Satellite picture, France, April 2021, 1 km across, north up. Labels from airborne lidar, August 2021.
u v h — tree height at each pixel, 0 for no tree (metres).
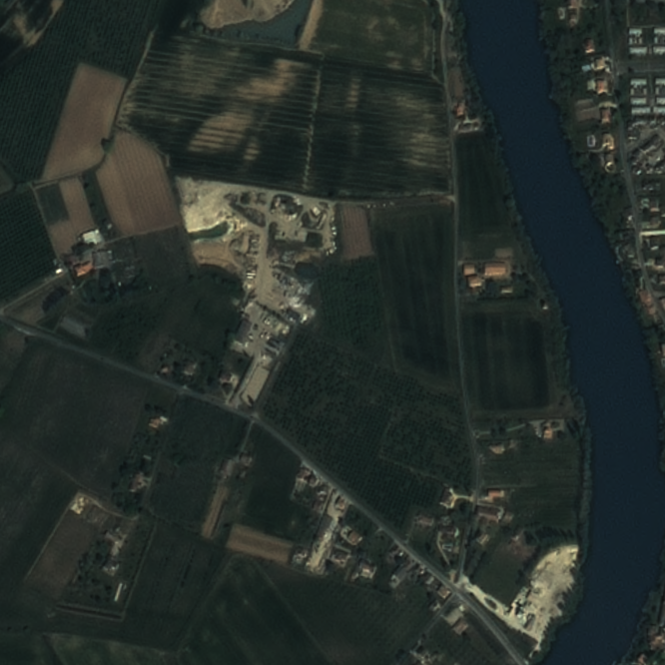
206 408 15
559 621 10
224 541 0
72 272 10
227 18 0
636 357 0
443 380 0
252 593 0
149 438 6
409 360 0
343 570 0
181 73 0
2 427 0
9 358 0
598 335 0
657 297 0
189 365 0
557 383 11
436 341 0
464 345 0
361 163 0
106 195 0
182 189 0
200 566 0
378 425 6
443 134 0
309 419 6
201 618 0
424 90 0
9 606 0
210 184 0
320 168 0
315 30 0
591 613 0
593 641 0
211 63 0
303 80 0
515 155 0
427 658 9
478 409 0
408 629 9
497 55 0
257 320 0
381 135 0
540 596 0
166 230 0
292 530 0
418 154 0
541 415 0
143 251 0
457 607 0
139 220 0
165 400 0
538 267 14
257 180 0
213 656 0
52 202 0
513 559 0
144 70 0
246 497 0
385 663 9
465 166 0
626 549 0
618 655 0
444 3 0
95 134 0
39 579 0
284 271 0
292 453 0
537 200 0
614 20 11
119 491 13
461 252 0
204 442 14
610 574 0
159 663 0
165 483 15
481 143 0
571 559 0
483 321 0
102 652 0
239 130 0
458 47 12
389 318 0
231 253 0
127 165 0
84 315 0
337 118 0
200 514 13
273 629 0
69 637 0
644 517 0
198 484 17
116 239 0
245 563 0
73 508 0
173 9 0
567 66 12
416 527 6
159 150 0
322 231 0
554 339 10
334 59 0
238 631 0
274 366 0
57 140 0
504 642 0
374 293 6
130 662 0
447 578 0
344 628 6
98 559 8
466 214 0
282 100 0
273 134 0
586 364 0
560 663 0
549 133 0
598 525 0
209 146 0
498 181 0
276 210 0
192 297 0
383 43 0
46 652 0
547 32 14
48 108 5
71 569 0
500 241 0
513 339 0
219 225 0
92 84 0
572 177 0
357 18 0
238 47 0
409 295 0
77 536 0
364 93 0
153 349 0
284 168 0
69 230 0
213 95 0
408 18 0
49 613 0
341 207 0
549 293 14
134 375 0
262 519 0
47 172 0
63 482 0
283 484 0
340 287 7
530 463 0
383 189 0
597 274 0
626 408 0
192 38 0
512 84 0
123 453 0
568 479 0
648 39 0
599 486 0
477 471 0
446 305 0
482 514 0
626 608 0
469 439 0
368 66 0
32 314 0
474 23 0
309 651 0
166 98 0
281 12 0
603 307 0
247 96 0
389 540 0
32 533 0
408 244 0
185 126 0
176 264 0
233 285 11
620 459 0
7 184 0
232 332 7
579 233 0
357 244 0
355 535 0
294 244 0
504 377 0
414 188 0
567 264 0
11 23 0
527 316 0
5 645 0
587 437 16
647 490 0
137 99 0
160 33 0
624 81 11
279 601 0
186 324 0
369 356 0
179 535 0
